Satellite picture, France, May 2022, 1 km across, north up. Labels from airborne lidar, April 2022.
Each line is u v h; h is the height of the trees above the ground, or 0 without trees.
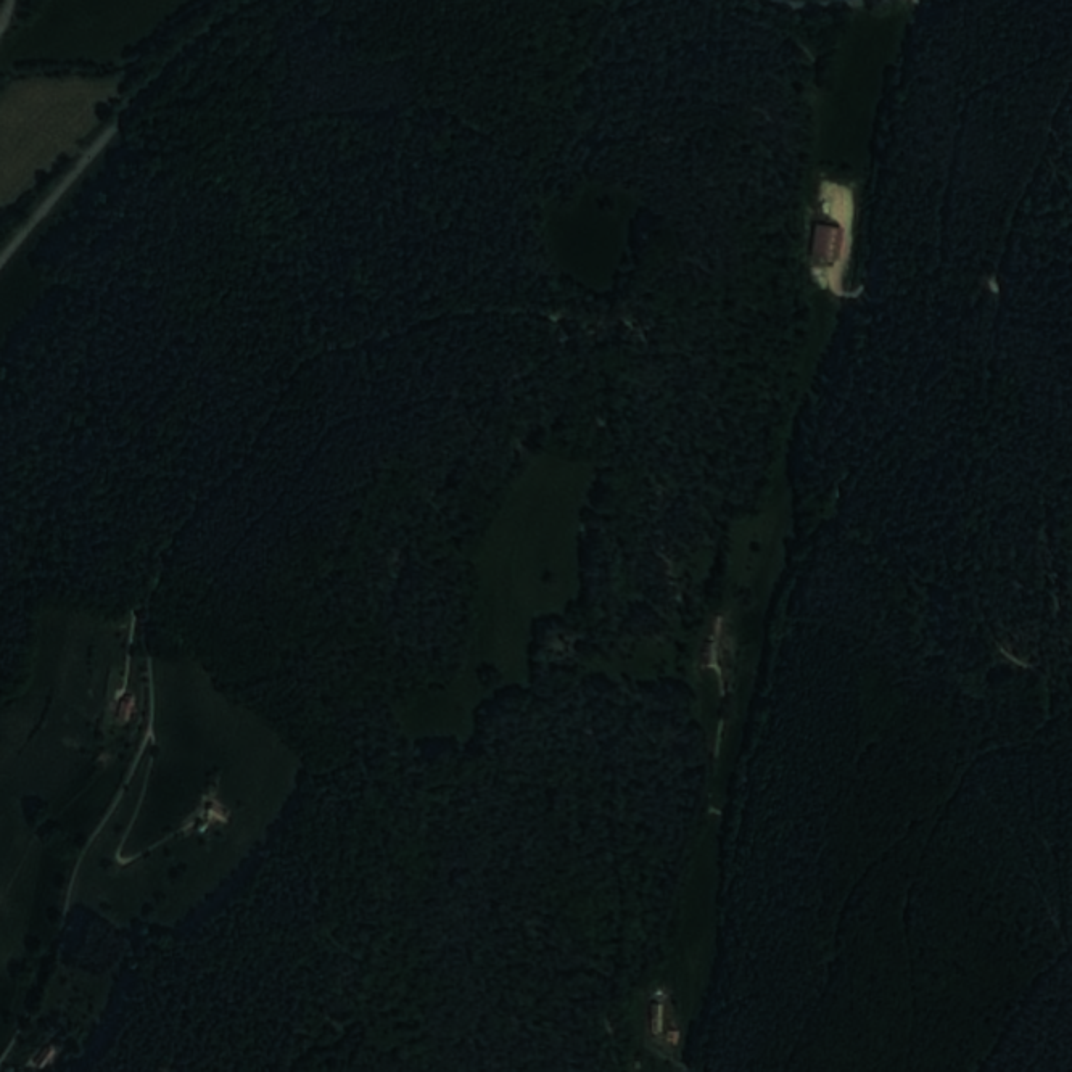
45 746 0
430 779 28
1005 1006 9
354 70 26
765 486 20
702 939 0
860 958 15
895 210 18
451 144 25
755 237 9
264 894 20
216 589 13
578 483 0
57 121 0
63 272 25
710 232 25
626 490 30
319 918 21
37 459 21
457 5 25
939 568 23
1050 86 21
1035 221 26
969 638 15
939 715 20
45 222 0
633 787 26
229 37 25
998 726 19
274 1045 23
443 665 24
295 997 19
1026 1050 25
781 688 13
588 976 28
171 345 24
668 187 24
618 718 28
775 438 19
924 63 18
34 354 27
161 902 9
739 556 0
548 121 29
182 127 18
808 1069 17
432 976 23
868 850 17
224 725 0
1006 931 11
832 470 25
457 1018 23
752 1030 21
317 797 15
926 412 28
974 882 15
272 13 26
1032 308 26
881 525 23
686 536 32
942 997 15
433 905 28
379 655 23
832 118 0
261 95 19
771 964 18
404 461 19
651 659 0
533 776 24
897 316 35
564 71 33
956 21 28
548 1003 23
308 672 20
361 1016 16
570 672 24
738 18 30
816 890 15
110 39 0
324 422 25
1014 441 22
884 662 19
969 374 21
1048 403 29
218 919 22
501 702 19
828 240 0
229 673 13
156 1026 26
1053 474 25
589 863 30
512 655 0
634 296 25
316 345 19
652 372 32
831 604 18
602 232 0
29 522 32
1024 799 15
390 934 25
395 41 23
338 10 27
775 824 16
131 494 15
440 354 22
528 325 22
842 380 41
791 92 19
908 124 21
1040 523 23
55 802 0
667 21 31
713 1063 18
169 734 0
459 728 0
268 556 25
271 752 0
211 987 26
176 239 22
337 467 23
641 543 31
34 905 0
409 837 24
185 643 18
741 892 16
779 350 16
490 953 27
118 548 26
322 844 19
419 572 27
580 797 22
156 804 0
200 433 20
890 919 15
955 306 30
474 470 27
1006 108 21
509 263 26
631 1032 18
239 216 20
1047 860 15
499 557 0
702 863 0
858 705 17
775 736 17
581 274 0
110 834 0
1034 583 20
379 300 33
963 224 19
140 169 28
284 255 34
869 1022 18
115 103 10
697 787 29
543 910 20
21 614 19
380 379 25
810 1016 17
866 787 18
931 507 27
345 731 25
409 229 34
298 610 12
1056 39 31
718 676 0
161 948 18
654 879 23
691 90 29
